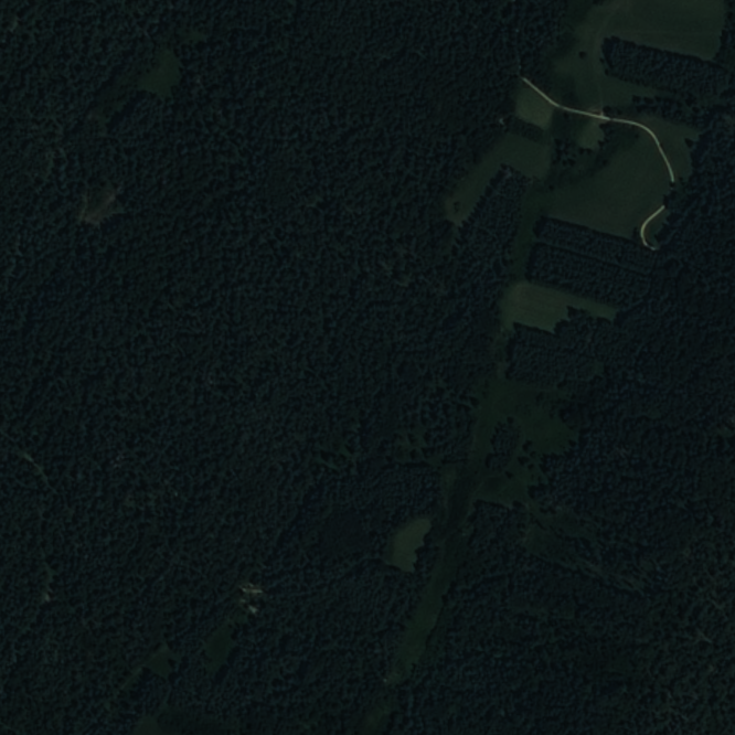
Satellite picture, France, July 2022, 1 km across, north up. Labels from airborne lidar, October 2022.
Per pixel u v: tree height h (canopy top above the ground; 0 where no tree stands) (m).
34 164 14
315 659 30
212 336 26
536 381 21
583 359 31
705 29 0
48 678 20
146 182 25
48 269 22
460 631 24
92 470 25
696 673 25
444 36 14
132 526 7
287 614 31
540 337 23
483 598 28
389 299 31
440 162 31
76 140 25
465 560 6
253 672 20
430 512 25
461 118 19
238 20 18
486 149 23
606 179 0
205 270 26
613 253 26
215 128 34
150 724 0
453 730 29
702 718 24
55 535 13
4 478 28
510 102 20
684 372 29
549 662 16
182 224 26
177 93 13
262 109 21
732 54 14
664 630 7
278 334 27
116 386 7
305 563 18
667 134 0
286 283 28
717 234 23
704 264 24
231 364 25
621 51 32
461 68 28
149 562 18
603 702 26
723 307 26
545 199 0
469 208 0
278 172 27
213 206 12
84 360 31
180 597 13
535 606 26
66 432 30
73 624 21
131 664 31
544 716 24
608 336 20
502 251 25
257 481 26
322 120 35
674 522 26
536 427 0
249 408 23
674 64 37
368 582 28
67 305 33
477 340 24
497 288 29
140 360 26
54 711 18
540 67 23
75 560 17
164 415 27
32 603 19
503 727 26
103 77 28
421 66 25
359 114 18
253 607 17
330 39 21
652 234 0
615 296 26
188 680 19
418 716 25
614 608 25
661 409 33
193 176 26
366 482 22
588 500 31
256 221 25
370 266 29
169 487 30
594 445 25
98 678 16
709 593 9
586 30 0
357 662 30
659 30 0
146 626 24
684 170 0
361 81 19
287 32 14
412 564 0
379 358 31
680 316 27
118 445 16
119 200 6
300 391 28
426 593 12
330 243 27
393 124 27
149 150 26
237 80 34
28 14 28
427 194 32
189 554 25
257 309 20
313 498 24
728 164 22
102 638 27
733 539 29
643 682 11
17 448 32
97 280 28
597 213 0
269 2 24
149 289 24
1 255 22
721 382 21
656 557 22
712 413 26
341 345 27
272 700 26
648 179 0
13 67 6
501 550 27
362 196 22
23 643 26
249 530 26
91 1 7
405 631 35
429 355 27
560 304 0
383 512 24
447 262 21
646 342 18
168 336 29
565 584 31
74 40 20
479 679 20
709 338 22
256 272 26
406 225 29
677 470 27
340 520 25
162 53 22
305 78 27
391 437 21
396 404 29
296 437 25
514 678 32
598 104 0
